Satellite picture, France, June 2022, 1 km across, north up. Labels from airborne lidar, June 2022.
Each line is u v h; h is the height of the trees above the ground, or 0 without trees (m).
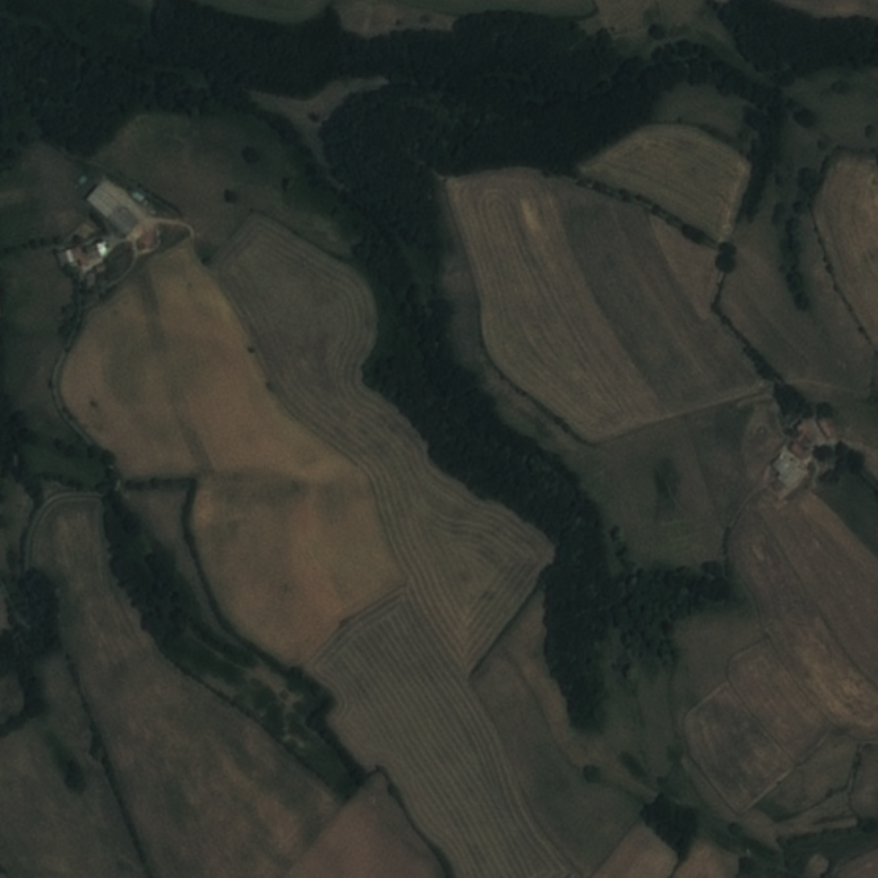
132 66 10
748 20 20
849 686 0
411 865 0
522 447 25
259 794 0
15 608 8
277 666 7
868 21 15
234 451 0
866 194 0
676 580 21
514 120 22
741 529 0
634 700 0
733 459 0
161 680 0
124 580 15
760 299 0
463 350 0
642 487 0
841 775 0
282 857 0
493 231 0
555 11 0
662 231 0
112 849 0
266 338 0
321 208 0
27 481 23
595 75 22
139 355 0
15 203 0
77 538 0
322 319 0
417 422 18
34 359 0
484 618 0
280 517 0
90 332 0
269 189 0
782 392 18
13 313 0
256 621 0
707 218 0
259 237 0
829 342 0
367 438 0
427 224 21
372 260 19
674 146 0
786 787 0
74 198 0
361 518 0
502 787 0
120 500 22
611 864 0
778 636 0
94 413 0
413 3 0
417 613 0
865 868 0
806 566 0
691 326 0
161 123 0
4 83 19
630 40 0
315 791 0
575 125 19
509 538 0
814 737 0
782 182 23
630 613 16
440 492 0
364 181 26
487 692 0
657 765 0
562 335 0
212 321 0
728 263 19
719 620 0
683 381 0
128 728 0
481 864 0
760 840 0
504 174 0
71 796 0
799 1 0
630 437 0
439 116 18
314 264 0
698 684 0
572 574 20
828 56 22
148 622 17
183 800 0
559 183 0
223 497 0
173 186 0
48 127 27
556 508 23
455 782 0
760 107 22
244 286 0
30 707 17
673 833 17
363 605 0
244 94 22
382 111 27
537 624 0
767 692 0
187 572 0
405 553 0
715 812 0
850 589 0
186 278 0
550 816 0
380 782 0
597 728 0
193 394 0
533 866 0
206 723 0
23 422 17
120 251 0
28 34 15
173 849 0
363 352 0
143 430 0
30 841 0
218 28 18
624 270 0
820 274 0
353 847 0
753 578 0
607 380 0
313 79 11
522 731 0
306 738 0
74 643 0
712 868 0
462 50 20
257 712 0
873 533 0
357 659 0
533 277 0
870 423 0
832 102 0
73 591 0
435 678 0
